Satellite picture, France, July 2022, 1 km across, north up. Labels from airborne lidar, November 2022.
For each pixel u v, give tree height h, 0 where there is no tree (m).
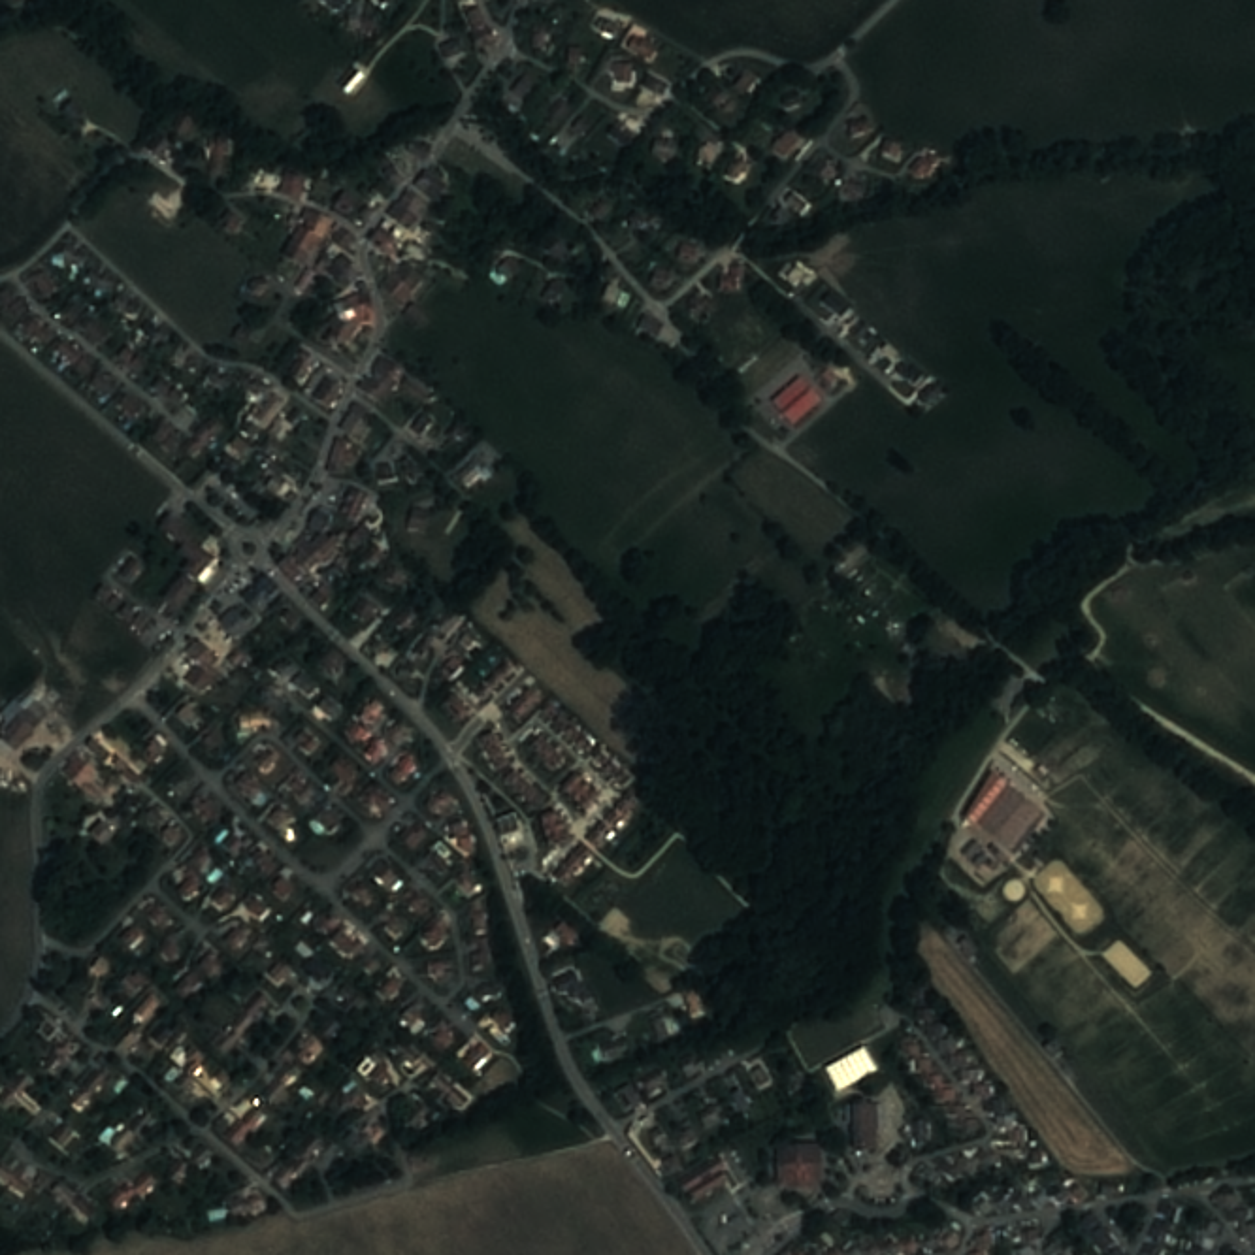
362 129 0
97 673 0
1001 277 0
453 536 0
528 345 0
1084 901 0
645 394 0
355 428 0
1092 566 24
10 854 0
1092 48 0
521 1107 13
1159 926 0
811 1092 18
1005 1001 0
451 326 0
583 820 0
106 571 0
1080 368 0
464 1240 0
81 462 0
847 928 33
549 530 21
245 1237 0
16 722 0
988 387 0
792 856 20
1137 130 0
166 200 0
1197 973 0
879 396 0
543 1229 0
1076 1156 0
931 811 0
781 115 13
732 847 26
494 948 8
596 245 6
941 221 0
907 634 0
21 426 0
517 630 0
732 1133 7
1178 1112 0
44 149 0
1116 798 0
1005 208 0
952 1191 6
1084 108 0
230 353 15
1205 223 30
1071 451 0
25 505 0
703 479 0
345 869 0
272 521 8
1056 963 0
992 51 0
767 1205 0
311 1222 0
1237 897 0
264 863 0
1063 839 0
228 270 0
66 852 21
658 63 0
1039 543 0
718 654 21
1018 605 15
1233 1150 0
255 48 0
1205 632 0
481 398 0
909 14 0
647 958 0
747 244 11
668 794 23
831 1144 20
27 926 0
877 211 17
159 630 0
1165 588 0
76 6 24
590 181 6
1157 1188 9
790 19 0
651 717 36
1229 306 23
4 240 0
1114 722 18
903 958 17
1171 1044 0
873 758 7
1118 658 0
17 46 0
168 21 0
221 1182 9
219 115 11
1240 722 0
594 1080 7
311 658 10
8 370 0
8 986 0
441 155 0
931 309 0
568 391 0
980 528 0
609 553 0
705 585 0
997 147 23
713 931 0
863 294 0
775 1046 8
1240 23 0
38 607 0
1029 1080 0
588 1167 0
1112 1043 0
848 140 0
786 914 16
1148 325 22
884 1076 0
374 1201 0
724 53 0
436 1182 0
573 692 0
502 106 10
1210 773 14
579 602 0
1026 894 0
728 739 20
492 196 19
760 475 0
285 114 0
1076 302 0
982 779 0
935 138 0
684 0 0
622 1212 0
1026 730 0
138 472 0
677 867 0
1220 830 0
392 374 0
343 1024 12
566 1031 7
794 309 13
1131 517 0
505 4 15
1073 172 15
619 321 10
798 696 0
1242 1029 0
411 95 0
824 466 0
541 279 0
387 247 0
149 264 0
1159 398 26
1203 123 0
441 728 0
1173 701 0
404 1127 8
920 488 0
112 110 0
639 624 20
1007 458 0
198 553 0
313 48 0
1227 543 18
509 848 0
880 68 0
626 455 0
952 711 16
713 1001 21
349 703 6
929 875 17
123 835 6
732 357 0
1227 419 21
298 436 11
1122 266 0
